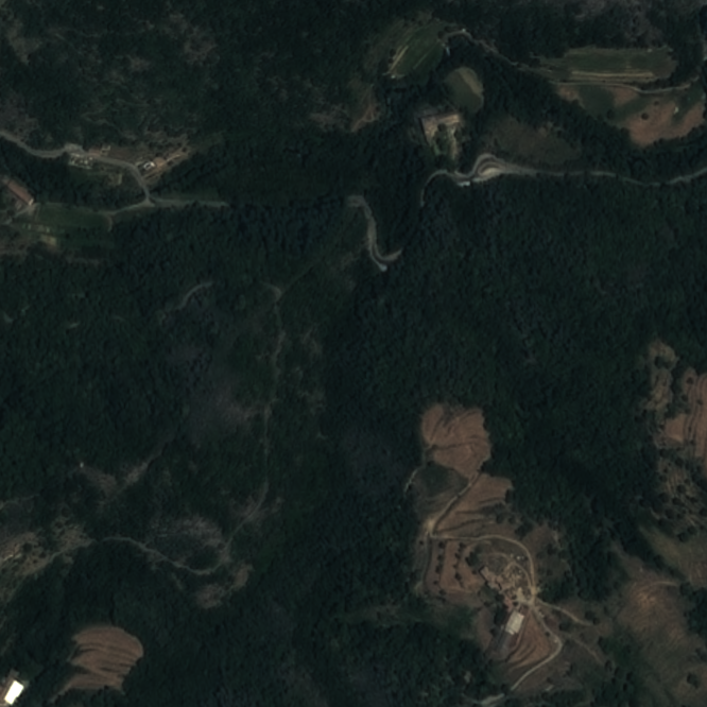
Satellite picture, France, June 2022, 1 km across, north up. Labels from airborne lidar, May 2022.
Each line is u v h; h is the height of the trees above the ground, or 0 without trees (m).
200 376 6
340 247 11
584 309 16
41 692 12
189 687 16
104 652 0
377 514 15
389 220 13
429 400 11
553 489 20
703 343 14
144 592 21
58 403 12
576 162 9
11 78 8
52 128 12
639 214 18
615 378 20
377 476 8
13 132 8
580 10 12
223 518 12
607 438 14
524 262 9
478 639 0
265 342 6
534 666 0
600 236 16
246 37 10
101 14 6
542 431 30
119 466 7
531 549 0
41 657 18
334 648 17
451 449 0
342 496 16
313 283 12
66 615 15
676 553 0
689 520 0
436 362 16
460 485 0
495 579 0
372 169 11
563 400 27
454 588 0
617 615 0
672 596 0
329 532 15
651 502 10
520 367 14
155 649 15
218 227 17
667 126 0
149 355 21
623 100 0
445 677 10
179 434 7
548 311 12
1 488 10
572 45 19
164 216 12
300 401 11
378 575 12
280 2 10
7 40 11
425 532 0
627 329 11
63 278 12
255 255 20
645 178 20
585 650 0
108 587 28
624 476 8
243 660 17
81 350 13
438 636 11
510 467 12
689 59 10
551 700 6
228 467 11
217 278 12
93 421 19
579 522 14
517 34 16
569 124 17
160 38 10
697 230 15
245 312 11
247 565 9
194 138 6
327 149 18
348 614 10
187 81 8
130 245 9
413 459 13
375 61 6
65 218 0
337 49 18
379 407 14
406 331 9
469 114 12
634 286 9
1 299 16
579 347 15
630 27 13
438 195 16
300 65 15
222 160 17
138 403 15
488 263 10
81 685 0
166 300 10
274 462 12
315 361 7
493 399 11
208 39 7
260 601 21
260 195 9
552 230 12
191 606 17
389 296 12
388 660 11
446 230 14
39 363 12
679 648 0
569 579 11
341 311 14
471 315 19
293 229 40
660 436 0
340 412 12
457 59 18
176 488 13
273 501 13
